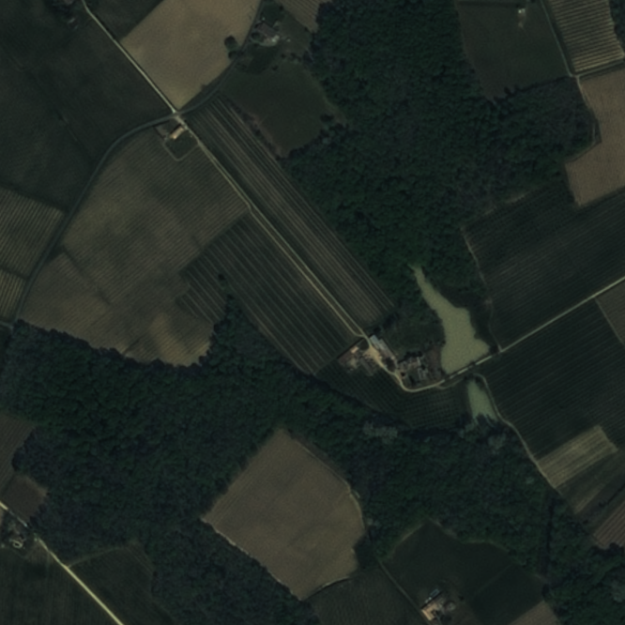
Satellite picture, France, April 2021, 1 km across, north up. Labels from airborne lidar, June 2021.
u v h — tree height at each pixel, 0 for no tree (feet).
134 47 0
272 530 0
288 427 49
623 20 50
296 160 57
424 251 73
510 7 0
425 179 75
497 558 0
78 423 91
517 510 105
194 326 0
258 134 41
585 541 69
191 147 0
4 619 0
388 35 76
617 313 0
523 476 80
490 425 72
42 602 0
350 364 0
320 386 88
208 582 66
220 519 0
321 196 57
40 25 0
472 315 0
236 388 89
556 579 47
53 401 100
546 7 0
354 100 71
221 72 0
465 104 86
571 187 0
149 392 91
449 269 87
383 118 85
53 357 75
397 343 0
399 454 87
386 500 79
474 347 0
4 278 0
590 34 0
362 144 85
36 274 0
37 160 0
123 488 72
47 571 0
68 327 0
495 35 0
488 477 74
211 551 57
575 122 31
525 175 75
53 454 81
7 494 0
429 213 74
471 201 64
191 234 0
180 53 0
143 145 0
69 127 0
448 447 89
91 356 75
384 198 86
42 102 0
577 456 0
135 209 0
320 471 0
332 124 43
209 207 0
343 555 0
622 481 0
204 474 80
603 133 0
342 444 72
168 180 0
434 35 83
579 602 57
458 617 0
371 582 0
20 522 44
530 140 72
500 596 0
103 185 0
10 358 31
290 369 52
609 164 0
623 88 0
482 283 35
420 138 85
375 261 57
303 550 0
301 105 0
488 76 0
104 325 0
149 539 65
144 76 0
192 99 0
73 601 0
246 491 0
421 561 0
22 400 77
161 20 0
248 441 74
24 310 0
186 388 87
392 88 73
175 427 82
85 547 71
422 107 79
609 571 71
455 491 72
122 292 0
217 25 0
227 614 54
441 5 78
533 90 33
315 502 0
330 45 81
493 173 87
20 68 0
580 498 0
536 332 0
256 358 82
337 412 62
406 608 0
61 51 0
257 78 0
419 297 73
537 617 0
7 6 0
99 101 0
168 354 0
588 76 0
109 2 0
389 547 86
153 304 0
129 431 81
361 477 80
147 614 0
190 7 0
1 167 0
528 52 0
